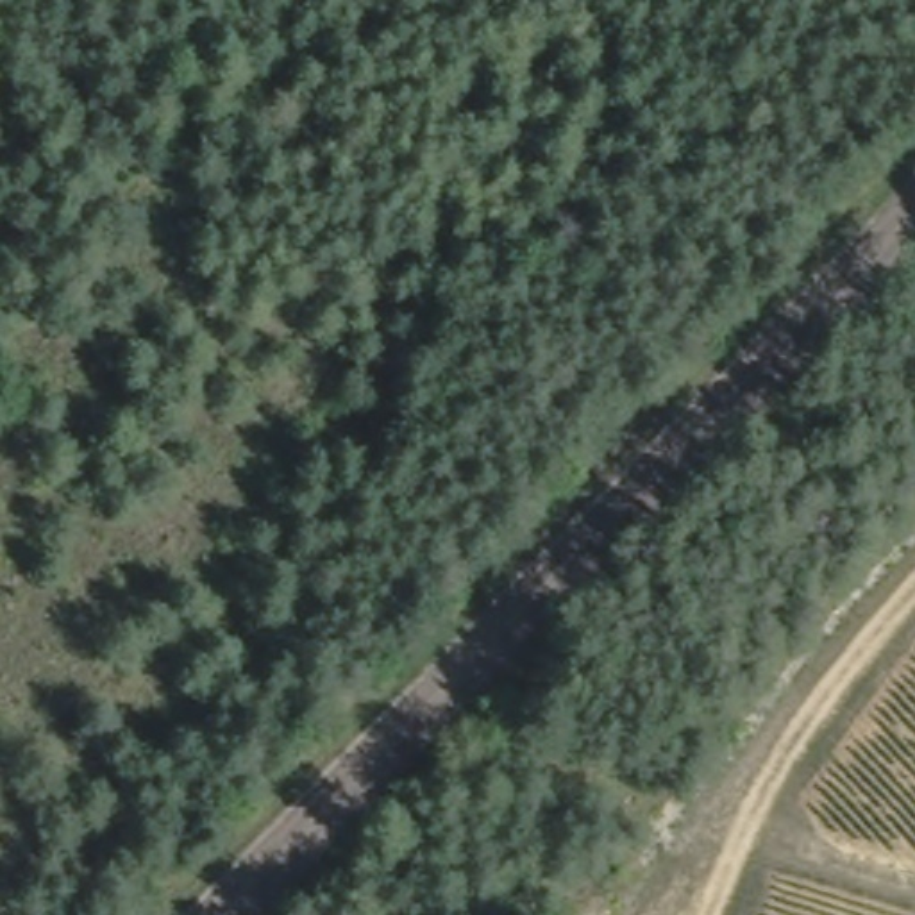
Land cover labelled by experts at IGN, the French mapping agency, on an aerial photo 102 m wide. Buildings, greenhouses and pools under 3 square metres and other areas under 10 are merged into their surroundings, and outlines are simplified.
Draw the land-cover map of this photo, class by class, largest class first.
<instances>
[{"label":"coniferous trees","instance_id":"1","mask_svg":"<svg viewBox=\"0 0 915 915\"><path fill-rule=\"evenodd\" d=\"M908 150H915V0H0V350L7 357H21V368L39 372V379L46 382L32 386L25 418L18 425L7 429L0 422V511L11 504V497H36L50 500L57 518L71 515L75 508H89L104 518H114L136 490H147L157 475H175L182 465L193 461V443H186L182 436L204 407L229 404L232 365L264 368L268 357H279L286 347L304 340L315 372V390L304 407L286 415L279 404L268 400L257 404L261 422L239 425V440L247 443V465L232 468V483L243 493V500L239 508H225L214 500L200 508L207 558H197V572L179 579L182 604H150V615L143 622H129L125 636L107 647L114 661L147 668V676L161 690V704H122V726H114L111 733L100 729L97 715L82 722L64 740V747L79 754V765L64 772L61 765H50L43 758L36 768H29L18 779V793L29 804L11 815L18 829L0 833V915H168L172 901H182L197 890V883L204 879V865H250L243 854L257 836L254 826L279 801L275 786L304 761L315 765L318 758L347 747L357 733V704L386 697L368 676L372 654H400L415 676H422L443 647L458 640L461 625H472L465 608L472 583L486 568H500L515 550H525L533 543L536 525L547 522L550 504L558 500L540 483V472L547 468L550 454L579 450L593 465L604 461V454L618 450L622 425L640 407L661 404L679 386H711L715 361L726 354V340L733 336V329L751 322L768 297L797 286L804 254L815 247L818 232L833 214L851 211L861 225L876 218L879 207H886L897 197L890 186V168ZM915 525V222L904 214L901 257L897 264L883 268L876 290L865 300H847V315H836L833 336L822 332L811 340L808 357L801 361V390L768 407V418L751 415L747 422L733 418L722 425L711 450L704 454V465L697 468L693 486L683 497L676 522L629 525L618 536L615 550L604 554L600 583L593 590H579L572 604L558 600L554 590L547 593L550 600L543 604L540 625L550 640L536 654L533 683L508 693L479 697L468 718L458 729L443 733L440 758L418 779H393L382 790V797L390 801L386 818L365 826L357 865H336L325 876L275 886L268 915H583L608 890L611 879H618L622 865L636 861L640 836L654 826L665 801H676L683 790H690V772L701 747H715L733 736V715L751 701L754 690L765 693L776 683L786 658L801 654L808 661L826 647L822 611L851 590L854 579L869 572L872 550L890 547Z\"/></svg>","mask_w":915,"mask_h":915},{"label":"herbaceous vegetation","instance_id":"2","mask_svg":"<svg viewBox=\"0 0 915 915\"><path fill-rule=\"evenodd\" d=\"M229 404L204 407L182 436L186 443H193V461L182 465L175 475H157L147 490H136L114 518H104L89 508H75L71 515L57 518L50 500L36 497H11V504L0 511V833L18 829L11 815L29 804L18 793V779L29 768H36L43 758L50 765H61L64 772L79 765V754L64 747V740L82 722L97 715L100 729L111 733L114 726H122V704H161V690L147 676V668L114 661L107 647L125 636L129 622H143L150 615V604H182L179 579L197 572V558H207L200 508L214 500L225 508H239L243 500V493L232 483V468L247 465V443L239 440V425L261 422L257 404L268 400L279 404L286 415L304 407L315 390V372L304 340L286 347L279 357H268L264 368L232 365ZM915 568V525L890 547L872 550L869 572L854 579L851 590L822 611L826 647L808 661L801 654L786 658L776 683L765 693L754 690L751 701L733 715V736L715 747H701L690 772V790H683L676 801H665L654 826L640 836L636 861L622 865L618 879H611L608 890L583 915H690L693 897L708 883L715 858L726 847L740 801L747 797L761 765L768 761L783 726L815 690V683L829 672V665L844 654L854 633ZM904 647H915V611L897 625L886 647L851 683L836 711L822 722L801 761L790 768L743 861L726 915H754L758 908H765L768 876H793L865 901L915 911V851L908 840H894V847L886 851L879 844L851 840L836 829H826L811 808H797V797L808 790V779L822 768V761L836 751L851 722L861 715L876 683L897 665V658H904Z\"/></svg>","mask_w":915,"mask_h":915},{"label":"impervious surface","instance_id":"3","mask_svg":"<svg viewBox=\"0 0 915 915\"><path fill-rule=\"evenodd\" d=\"M890 186L897 197L886 207H879L876 218L861 225L851 211L833 214L818 232L815 247L804 254L797 286L768 297L751 322L733 329V336L726 340V354L715 361L711 386H679L661 404L640 407L622 425L618 450L604 454V461L593 465L583 490L568 500H558L550 504L547 522L536 525L533 543L525 550H515L500 568H486L472 583L465 608L472 625H461L458 640L443 647L422 676H415L407 686L386 697L357 704V733L347 747L318 758L315 765L304 761L275 786L279 801L254 826L257 836L243 854L250 865H204V879L197 883V890L182 901H172L168 915H268L275 886L325 876L336 865H357L365 826L386 818L390 801L382 797V790L393 779H418L440 758L443 733L458 729L468 718L479 697L508 693L533 683L536 654L550 640L540 625L543 604L550 600L547 593L554 590L558 600L572 604L579 590H593L600 583L604 554L615 550L618 536L629 525L676 522L683 497L693 486L697 468L704 465V454L711 450L722 425L733 418L747 422L751 415L768 418V407L801 390V361L808 357L811 340L822 332L833 336L836 315H847V300H865L876 290L883 268L897 264L901 257L904 214L915 222V150H908L890 168Z\"/></svg>","mask_w":915,"mask_h":915},{"label":"vineyard","instance_id":"4","mask_svg":"<svg viewBox=\"0 0 915 915\"><path fill-rule=\"evenodd\" d=\"M797 808H811L826 829H836L851 840L879 844L886 851L894 847V840H908L915 851V647H904V658H897V665L876 683L861 715L851 722L836 751L822 761V768L808 779V790L797 797ZM754 915H915V911L865 901L793 876H768L765 908H758Z\"/></svg>","mask_w":915,"mask_h":915},{"label":"pervious surface","instance_id":"5","mask_svg":"<svg viewBox=\"0 0 915 915\"><path fill-rule=\"evenodd\" d=\"M915 611V568L854 633L844 654L829 665V672L815 683V690L783 726L768 761L761 765L747 797L740 801L726 847L715 858L708 883L693 897L690 915H726L743 861L790 768L801 761L822 722L836 711L851 683L886 647L897 625Z\"/></svg>","mask_w":915,"mask_h":915},{"label":"deciduous trees","instance_id":"6","mask_svg":"<svg viewBox=\"0 0 915 915\"><path fill-rule=\"evenodd\" d=\"M32 386L46 382L39 379V372L21 368V357H7L0 350V422L7 429L18 425L25 418ZM593 465L579 450L550 454L547 468L540 472V483L558 500H568L583 490ZM368 676L386 697L407 686L415 676L400 654H372Z\"/></svg>","mask_w":915,"mask_h":915}]
</instances>
